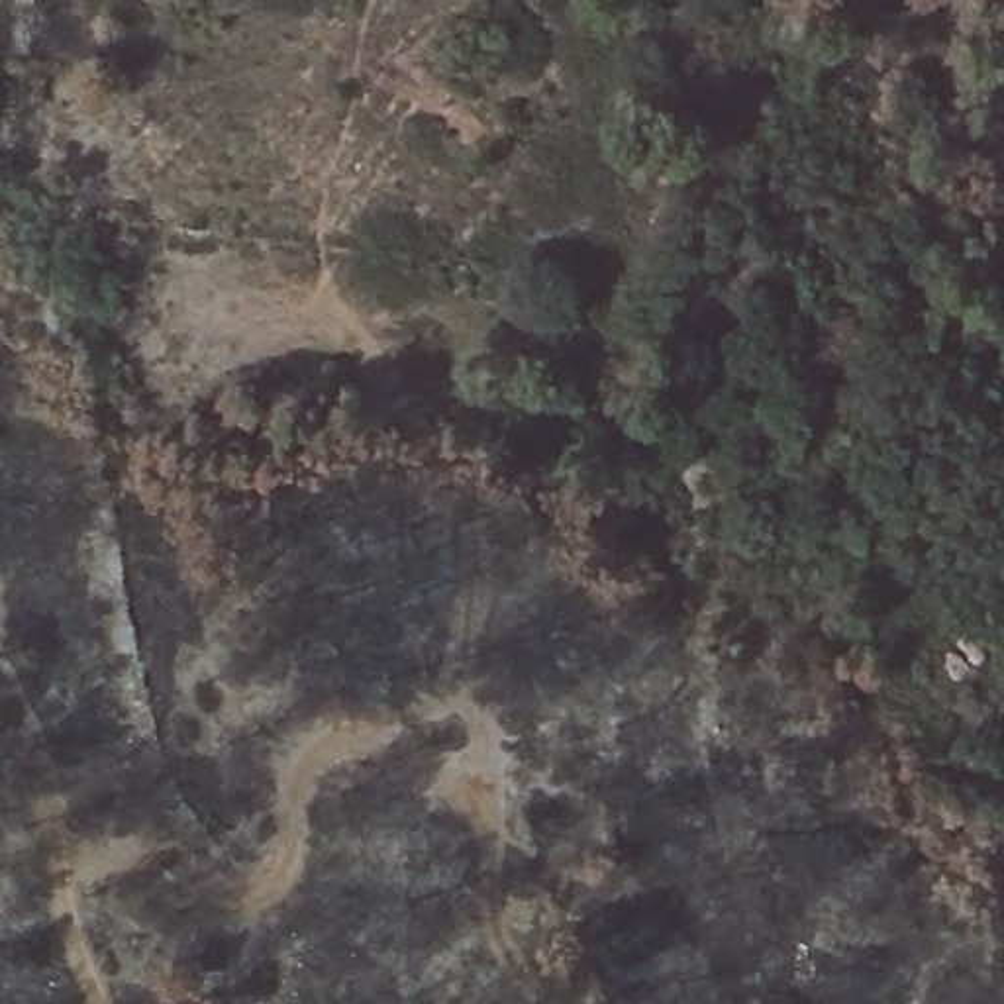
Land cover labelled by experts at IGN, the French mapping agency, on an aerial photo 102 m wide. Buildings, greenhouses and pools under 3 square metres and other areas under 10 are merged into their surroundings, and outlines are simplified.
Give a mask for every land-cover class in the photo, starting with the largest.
<instances>
[{"label":"bare soil","instance_id":"1","mask_svg":"<svg viewBox=\"0 0 1004 1004\"><path fill-rule=\"evenodd\" d=\"M110 39V20L98 16L86 0H0V145L39 153V114L55 94V82L82 59L98 63ZM910 8L906 0H831V35L855 39H886L898 27V16ZM161 259L169 271L149 278L161 322L141 337L137 349L145 357L149 384L161 392L165 404L180 408H192L220 373L290 349H337L361 357L384 353L380 337L388 329V310L349 306L337 290L333 271H318L314 282L290 278L282 290H259L239 282L243 259L235 251H165ZM129 467V443L90 424L86 349L59 357L27 337H16L12 349L0 345V1004H1004V906L988 914L969 902L977 886L992 882L984 871L988 820L980 812H957L949 804V784L926 780L914 769L910 749L894 753L890 733L875 722L871 694L855 682L835 678V659L847 655V639L824 631V616H816L792 635L780 628L765 635V624L749 608L726 612V604L706 600L694 620L663 628L659 635L604 628L592 616L596 600L577 588V580L541 569L529 545L498 537L494 514L463 482L447 475H424L412 482L345 478L337 486L310 490L286 518L275 522L271 537L259 545L247 588H188V580H180L176 569V545L165 541L161 514H149L122 486V475Z\"/></svg>","mask_w":1004,"mask_h":1004},{"label":"coniferous trees","instance_id":"2","mask_svg":"<svg viewBox=\"0 0 1004 1004\"><path fill-rule=\"evenodd\" d=\"M910 8L898 16V27L886 39H855L831 35V0H600V12L608 16L639 8L647 16L651 39L659 43L663 86L643 90L635 102L663 110L678 133L710 137L706 153H698V176L671 188L663 239L651 235L624 259L612 247L588 243L584 235L537 243L533 251L549 263L553 278L565 282L573 294V314L561 337H529L514 326H502L490 333V341L459 337L451 353H427L412 345L384 353L361 357L337 349H290L220 373L192 408H180L176 420L184 424V439L165 443L157 435H141L129 443V467L122 475V486L149 514H161L165 541L176 545V569L180 580H188V588H247L259 545L271 537L275 522L286 518L310 490L337 486L345 478L412 482L424 475H447L463 482L494 514L498 537L529 545L541 569L577 580V588L596 600L592 616L604 628L659 635L663 628L694 620L706 600L726 604V612L749 608L765 624V635L780 628L792 635L816 616H824V631L847 639V655L835 659V678L855 682L871 694L875 722L890 733L894 753L910 749L914 769L926 780L949 784V804L957 812H980L988 820L984 871L992 882L977 886L969 902L988 914L1004 906V0H906Z\"/></svg>","mask_w":1004,"mask_h":1004},{"label":"herbaceous vegetation","instance_id":"3","mask_svg":"<svg viewBox=\"0 0 1004 1004\"><path fill-rule=\"evenodd\" d=\"M98 16L110 20V39L98 63L82 59L55 82V94L39 114V153L43 161H63V149L71 141L102 149L110 196L145 200L157 216V231H173L184 239H216V251H235L243 259L239 282L259 290H282L290 278L314 282L318 271H333L337 290L349 306L388 310V329L380 337L384 353L412 345L427 353H451L459 337L490 341V333L502 326H514L529 337H561L573 314V294L565 282L553 278L549 263L533 251L537 243L584 235L588 243L612 247L624 259L651 235L663 239L671 188L698 176V153H706L710 137L678 133L663 110L635 102L643 90L663 86L659 43L651 39L647 16L639 8L608 16L600 12V0H86Z\"/></svg>","mask_w":1004,"mask_h":1004},{"label":"brushwood","instance_id":"4","mask_svg":"<svg viewBox=\"0 0 1004 1004\"><path fill-rule=\"evenodd\" d=\"M165 251H216V239H184L173 231H157V216L145 200L110 196L102 149L71 141L63 149V161H43L39 153L0 145V345L12 349L16 337H27L59 357L86 349L90 424L129 443L141 435H157L165 443L184 439V424L176 420L180 408L165 404L161 392L149 384L145 357L137 349L141 337L161 322L149 278L169 271L161 259Z\"/></svg>","mask_w":1004,"mask_h":1004}]
</instances>
